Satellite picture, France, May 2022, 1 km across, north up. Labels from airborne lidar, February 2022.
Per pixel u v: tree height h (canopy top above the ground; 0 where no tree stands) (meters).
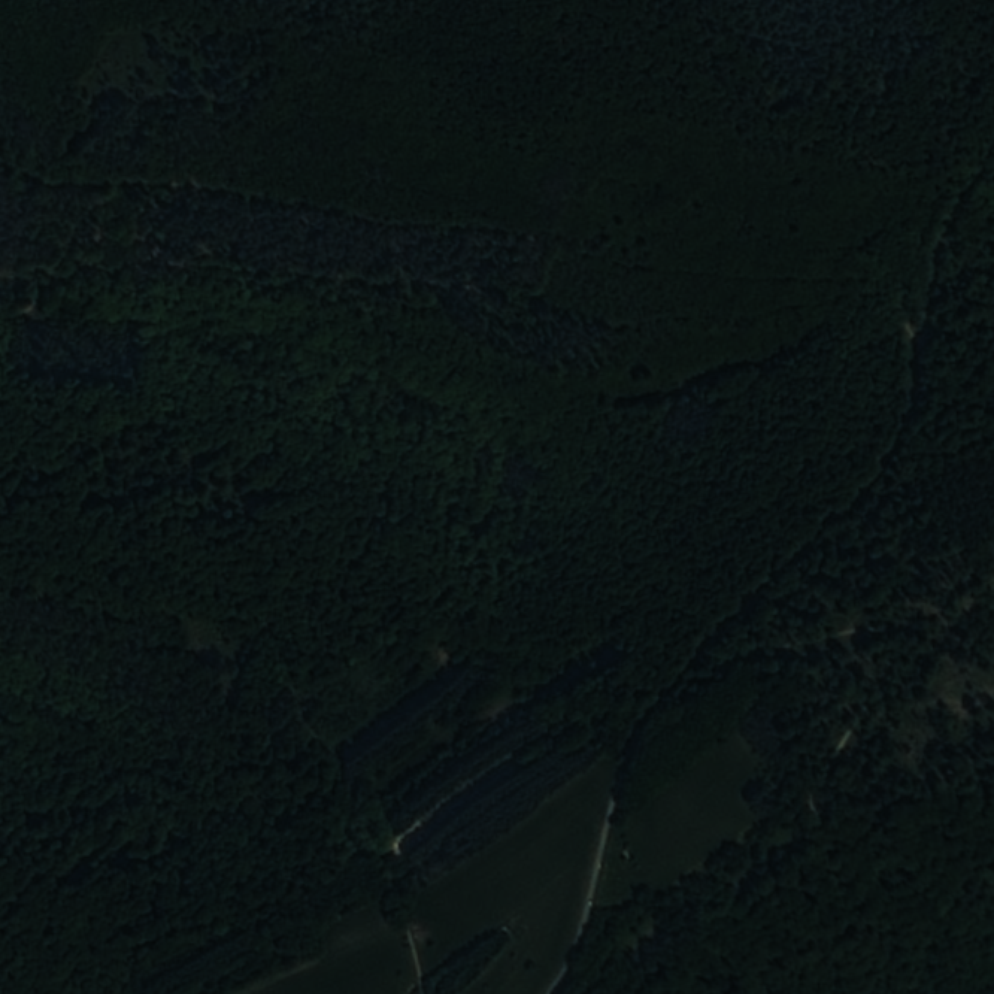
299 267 29
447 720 22
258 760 30
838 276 18
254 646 19
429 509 30
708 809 0
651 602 28
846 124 15
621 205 12
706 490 26
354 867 14
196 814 32
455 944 0
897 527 12
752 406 30
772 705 28
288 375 28
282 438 34
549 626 29
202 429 30
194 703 29
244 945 16
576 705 30
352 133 22
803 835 20
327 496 31
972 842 32
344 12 21
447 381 28
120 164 26
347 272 12
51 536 29
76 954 27
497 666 25
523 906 0
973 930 29
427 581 33
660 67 22
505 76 20
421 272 32
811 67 24
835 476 29
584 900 0
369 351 28
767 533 28
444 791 18
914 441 33
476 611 32
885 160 18
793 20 35
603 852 0
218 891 29
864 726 16
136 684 26
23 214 31
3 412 27
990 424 19
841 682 32
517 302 10
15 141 25
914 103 21
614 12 21
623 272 14
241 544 29
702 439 29
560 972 0
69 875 6
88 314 25
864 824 22
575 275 14
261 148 20
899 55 30
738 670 23
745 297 12
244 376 33
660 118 20
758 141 14
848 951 31
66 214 34
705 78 25
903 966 28
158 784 35
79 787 33
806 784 29
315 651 26
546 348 33
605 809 0
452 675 23
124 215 11
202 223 35
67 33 20
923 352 25
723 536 29
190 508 17
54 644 27
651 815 0
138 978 8
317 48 21
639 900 11
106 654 26
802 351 24
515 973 0
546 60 18
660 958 22
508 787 21
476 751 22
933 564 18
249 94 23
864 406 26
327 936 0
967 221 19
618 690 28
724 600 28
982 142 23
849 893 31
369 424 31
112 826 36
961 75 19
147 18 23
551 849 0
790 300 14
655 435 24
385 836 22
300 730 22
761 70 27
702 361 8
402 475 29
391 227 29
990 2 25
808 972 30
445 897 0
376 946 0
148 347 28
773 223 13
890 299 26
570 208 12
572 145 16
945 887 33
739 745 0
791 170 7
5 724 35
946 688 0
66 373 10
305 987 0
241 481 17
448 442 32
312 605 26
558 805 0
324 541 30
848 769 18
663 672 24
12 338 7
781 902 32
